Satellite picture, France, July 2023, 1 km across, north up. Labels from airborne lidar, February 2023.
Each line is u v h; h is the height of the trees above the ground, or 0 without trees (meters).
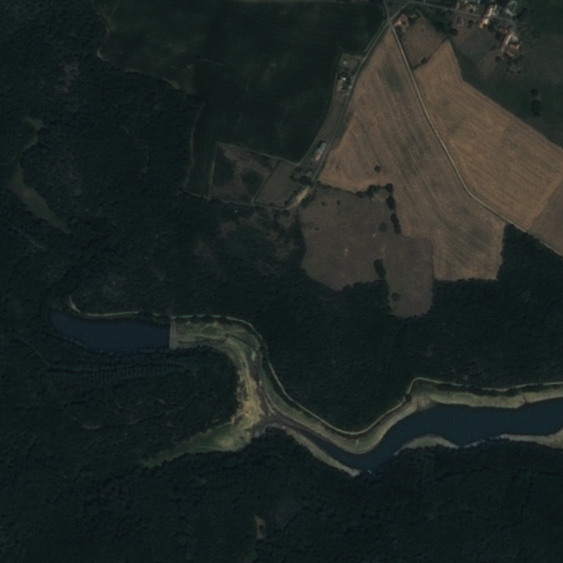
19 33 11
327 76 0
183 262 11
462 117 0
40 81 11
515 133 0
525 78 0
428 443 0
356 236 0
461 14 0
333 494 12
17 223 24
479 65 0
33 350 19
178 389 16
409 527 20
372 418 11
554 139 0
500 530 19
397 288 0
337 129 0
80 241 19
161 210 19
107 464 12
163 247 12
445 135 0
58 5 15
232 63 0
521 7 0
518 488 9
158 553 20
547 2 0
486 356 12
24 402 10
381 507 15
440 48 0
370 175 0
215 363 20
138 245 18
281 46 0
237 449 0
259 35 0
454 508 19
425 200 0
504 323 9
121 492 24
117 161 15
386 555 22
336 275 0
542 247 9
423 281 0
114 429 15
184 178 14
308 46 0
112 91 13
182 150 23
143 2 0
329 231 0
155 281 11
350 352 10
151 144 14
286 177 0
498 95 0
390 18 0
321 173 0
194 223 11
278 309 12
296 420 0
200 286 14
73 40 17
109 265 16
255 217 0
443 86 0
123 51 0
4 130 13
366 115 0
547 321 17
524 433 0
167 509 19
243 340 0
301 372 8
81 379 28
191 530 26
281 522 0
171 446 5
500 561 17
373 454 0
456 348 17
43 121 8
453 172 0
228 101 0
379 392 13
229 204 6
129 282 6
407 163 0
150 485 20
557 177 0
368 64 0
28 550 18
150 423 14
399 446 0
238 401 7
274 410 0
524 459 11
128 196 22
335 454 0
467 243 0
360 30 0
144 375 27
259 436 0
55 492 24
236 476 15
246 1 0
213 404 22
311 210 0
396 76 0
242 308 17
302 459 18
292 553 22
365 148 0
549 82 0
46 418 17
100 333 0
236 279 16
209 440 0
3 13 17
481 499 17
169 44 0
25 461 21
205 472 9
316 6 0
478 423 0
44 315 16
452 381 14
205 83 0
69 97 16
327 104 0
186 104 23
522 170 0
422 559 20
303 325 10
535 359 13
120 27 0
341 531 21
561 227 0
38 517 20
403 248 0
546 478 24
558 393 0
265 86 0
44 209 0
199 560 19
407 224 0
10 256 19
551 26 0
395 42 0
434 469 15
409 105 0
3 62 20
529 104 0
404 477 12
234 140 0
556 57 0
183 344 0
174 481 17
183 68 0
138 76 15
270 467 14
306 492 7
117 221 16
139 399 13
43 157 14
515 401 0
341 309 8
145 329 0
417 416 0
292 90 0
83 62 16
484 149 0
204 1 0
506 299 7
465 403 0
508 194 0
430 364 15
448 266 0
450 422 0
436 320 14
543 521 21
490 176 0
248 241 6
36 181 14
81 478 13
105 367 26
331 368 11
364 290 9
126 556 20
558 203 0
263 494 19
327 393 14
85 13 10
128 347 0
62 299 9
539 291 8
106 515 19
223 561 16
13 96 14
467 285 8
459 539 17
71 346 21
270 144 0
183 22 0
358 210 0
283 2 0
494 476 21
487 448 14
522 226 0
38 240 25
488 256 0
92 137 16
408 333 18
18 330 19
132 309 12
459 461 17
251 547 19
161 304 10
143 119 10
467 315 17
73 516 20
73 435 18
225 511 19
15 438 19
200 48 0
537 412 0
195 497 11
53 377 24
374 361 6
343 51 0
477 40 0
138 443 18
